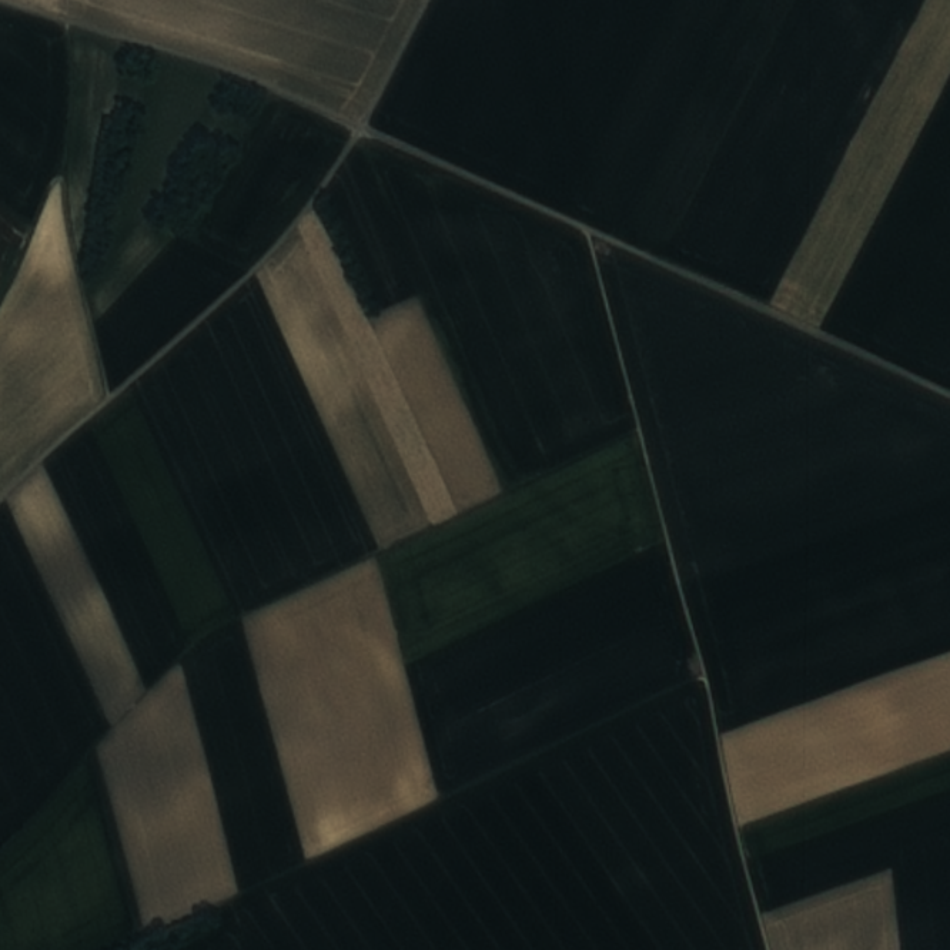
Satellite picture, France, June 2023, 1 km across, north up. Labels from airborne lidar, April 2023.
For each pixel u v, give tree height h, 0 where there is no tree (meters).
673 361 0
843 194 0
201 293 0
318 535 0
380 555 0
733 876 0
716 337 0
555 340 0
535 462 0
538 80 0
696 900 0
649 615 0
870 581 0
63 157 0
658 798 0
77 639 0
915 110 0
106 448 0
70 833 0
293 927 0
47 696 0
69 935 0
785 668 0
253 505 0
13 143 0
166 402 0
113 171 12
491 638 0
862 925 0
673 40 0
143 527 0
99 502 0
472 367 0
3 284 0
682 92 0
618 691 0
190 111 0
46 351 0
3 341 0
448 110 0
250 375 0
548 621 0
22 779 0
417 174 0
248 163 0
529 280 0
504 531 0
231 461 0
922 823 0
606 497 0
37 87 0
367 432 0
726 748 0
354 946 0
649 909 0
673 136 0
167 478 0
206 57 0
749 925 0
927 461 0
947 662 0
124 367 0
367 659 0
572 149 0
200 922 9
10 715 0
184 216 12
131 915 0
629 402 0
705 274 0
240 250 0
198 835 0
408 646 0
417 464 0
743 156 0
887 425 0
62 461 0
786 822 0
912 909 0
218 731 0
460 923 0
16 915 0
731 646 0
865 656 0
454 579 0
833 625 0
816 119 0
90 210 11
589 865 0
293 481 0
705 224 0
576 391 0
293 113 0
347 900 0
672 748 0
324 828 0
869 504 0
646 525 0
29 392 0
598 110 0
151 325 0
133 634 0
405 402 0
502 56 0
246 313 0
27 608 0
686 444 0
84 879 0
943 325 0
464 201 0
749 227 0
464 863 0
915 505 0
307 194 0
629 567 0
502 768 0
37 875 0
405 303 0
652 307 0
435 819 0
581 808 0
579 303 0
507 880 0
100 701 0
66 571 0
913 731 0
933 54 0
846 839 0
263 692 0
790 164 0
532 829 0
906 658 0
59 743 0
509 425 0
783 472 0
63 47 0
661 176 0
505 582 0
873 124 0
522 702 0
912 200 0
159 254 0
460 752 0
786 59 0
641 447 0
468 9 0
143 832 0
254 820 0
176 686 0
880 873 0
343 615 0
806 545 0
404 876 0
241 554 0
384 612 0
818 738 0
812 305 0
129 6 0
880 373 0
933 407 0
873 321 0
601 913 0
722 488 0
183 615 0
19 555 0
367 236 0
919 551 0
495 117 0
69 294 0
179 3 0
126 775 0
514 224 0
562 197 0
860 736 0
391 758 0
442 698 0
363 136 0
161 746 0
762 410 0
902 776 0
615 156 0
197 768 0
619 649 0
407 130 0
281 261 0
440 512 0
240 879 0
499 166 0
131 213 0
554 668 0
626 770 0
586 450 0
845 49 0
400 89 0
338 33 0
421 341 0
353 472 0
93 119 0
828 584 0
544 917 0
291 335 0
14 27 0
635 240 0
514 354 0
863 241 0
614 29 0
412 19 0
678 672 0
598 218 0
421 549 0
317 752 0
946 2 0
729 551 0
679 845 0
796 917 0
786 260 0
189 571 0
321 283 0
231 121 0
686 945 0
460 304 0
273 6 0
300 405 0
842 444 0
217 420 0
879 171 0
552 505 0
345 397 0
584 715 0
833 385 0
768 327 0
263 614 0
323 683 0
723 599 0
